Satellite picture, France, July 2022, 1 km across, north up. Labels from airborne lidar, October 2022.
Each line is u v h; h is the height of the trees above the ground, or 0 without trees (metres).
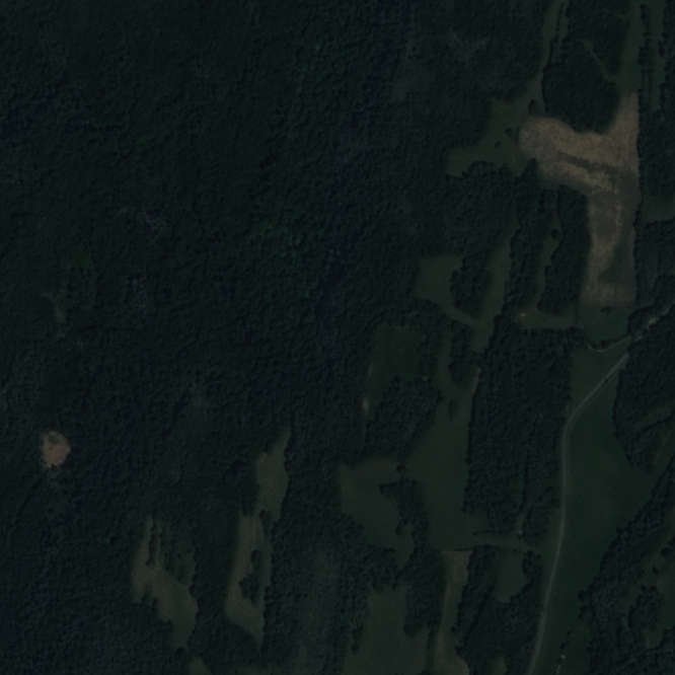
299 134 16
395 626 0
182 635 0
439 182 14
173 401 17
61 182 21
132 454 20
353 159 7
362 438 10
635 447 13
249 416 28
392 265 12
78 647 13
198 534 12
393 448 12
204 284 26
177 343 17
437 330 16
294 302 18
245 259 23
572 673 0
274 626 13
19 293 13
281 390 29
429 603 11
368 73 13
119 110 27
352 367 15
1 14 17
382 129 13
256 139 21
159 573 0
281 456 0
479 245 14
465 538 0
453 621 0
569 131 0
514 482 19
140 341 24
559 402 17
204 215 24
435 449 0
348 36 15
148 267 22
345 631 16
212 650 11
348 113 12
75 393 17
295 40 19
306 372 21
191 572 0
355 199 16
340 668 8
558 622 0
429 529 18
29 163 13
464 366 11
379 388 0
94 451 18
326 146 14
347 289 7
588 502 0
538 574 16
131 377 23
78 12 8
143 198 28
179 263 28
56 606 16
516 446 10
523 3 11
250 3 30
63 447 0
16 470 10
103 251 22
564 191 12
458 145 14
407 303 15
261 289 22
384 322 8
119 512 14
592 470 0
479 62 8
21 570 22
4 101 16
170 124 24
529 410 15
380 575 19
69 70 10
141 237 26
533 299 11
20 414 14
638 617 18
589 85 13
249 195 10
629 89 0
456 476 0
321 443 15
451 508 0
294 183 15
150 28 11
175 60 21
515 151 0
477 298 15
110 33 17
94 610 15
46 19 7
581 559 0
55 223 7
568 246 16
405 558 0
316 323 8
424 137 8
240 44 18
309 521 15
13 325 14
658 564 0
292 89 25
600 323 0
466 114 8
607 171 0
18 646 24
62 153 26
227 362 28
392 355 0
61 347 20
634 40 0
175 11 16
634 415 13
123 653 16
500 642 6
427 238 9
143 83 15
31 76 21
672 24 12
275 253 14
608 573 13
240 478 27
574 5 11
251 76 24
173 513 6
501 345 13
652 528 14
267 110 21
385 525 0
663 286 9
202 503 12
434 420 14
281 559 18
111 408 22
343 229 27
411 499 11
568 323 0
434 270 0
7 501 17
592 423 0
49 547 27
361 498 0
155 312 26
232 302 20
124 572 14
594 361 0
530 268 11
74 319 20
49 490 17
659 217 0
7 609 20
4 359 16
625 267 0
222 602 13
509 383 17
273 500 0
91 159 22
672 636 10
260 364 28
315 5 16
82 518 23
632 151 0
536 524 14
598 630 12
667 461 0
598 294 0
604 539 0
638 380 14
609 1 17
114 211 31
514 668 16
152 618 10
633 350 13
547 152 0
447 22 7
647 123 16
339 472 16
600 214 0
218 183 21
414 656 0
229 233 27
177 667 13
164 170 23
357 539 24
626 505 0
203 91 26
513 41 8
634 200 0
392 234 13
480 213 12
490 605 13
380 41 14
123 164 28
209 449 22
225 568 10
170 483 8
